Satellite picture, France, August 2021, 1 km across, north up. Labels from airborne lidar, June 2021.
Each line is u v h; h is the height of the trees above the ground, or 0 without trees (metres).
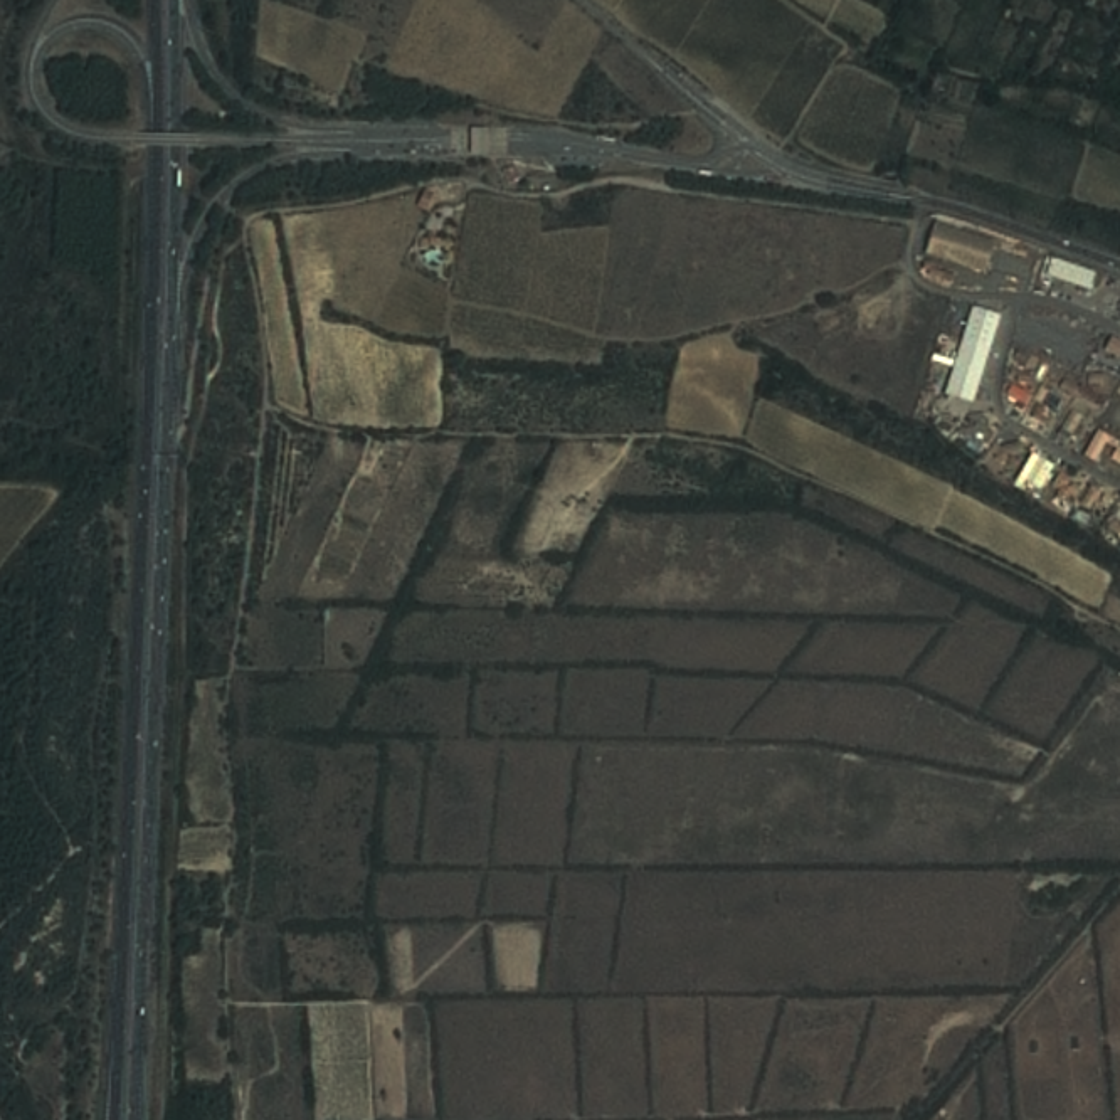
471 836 0
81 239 10
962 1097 0
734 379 0
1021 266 0
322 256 0
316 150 0
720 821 0
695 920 0
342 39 0
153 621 0
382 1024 0
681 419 0
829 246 0
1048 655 0
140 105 0
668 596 0
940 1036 0
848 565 0
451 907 0
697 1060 0
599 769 0
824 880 0
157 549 0
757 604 0
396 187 10
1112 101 7
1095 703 0
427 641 0
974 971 0
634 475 0
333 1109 0
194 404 0
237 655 6
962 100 0
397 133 0
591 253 0
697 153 0
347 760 0
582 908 0
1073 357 0
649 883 0
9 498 0
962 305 0
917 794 0
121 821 0
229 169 10
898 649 0
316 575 0
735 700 0
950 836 0
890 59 6
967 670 0
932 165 7
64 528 7
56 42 0
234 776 6
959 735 0
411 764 0
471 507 0
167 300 0
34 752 7
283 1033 0
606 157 0
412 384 0
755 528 0
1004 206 0
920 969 0
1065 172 0
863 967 0
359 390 0
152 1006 0
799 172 0
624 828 0
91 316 0
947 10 0
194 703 13
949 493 0
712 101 0
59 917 0
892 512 0
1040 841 0
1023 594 0
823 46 0
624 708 0
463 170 6
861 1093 0
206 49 0
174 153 0
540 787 0
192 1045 0
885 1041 0
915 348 0
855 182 0
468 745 0
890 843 0
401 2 0
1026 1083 0
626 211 0
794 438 0
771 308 0
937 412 0
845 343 0
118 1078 0
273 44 0
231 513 7
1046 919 0
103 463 12
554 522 0
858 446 0
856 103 0
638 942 0
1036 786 0
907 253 0
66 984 8
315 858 0
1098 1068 0
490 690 0
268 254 0
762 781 0
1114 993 0
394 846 0
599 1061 0
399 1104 0
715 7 0
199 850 0
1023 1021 0
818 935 0
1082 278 0
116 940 0
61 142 10
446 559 0
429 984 0
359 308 0
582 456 0
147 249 0
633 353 0
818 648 0
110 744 9
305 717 0
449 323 0
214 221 12
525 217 0
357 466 0
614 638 0
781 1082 0
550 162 0
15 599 10
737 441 7
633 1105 0
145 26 0
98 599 8
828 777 0
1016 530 0
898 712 0
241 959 0
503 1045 0
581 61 0
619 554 0
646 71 0
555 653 0
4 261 8
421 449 0
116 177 11
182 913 11
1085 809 0
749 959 0
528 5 0
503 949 0
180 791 9
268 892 0
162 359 0
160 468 0
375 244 0
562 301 0
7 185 14
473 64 0
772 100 0
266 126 9
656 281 0
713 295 0
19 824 9
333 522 0
